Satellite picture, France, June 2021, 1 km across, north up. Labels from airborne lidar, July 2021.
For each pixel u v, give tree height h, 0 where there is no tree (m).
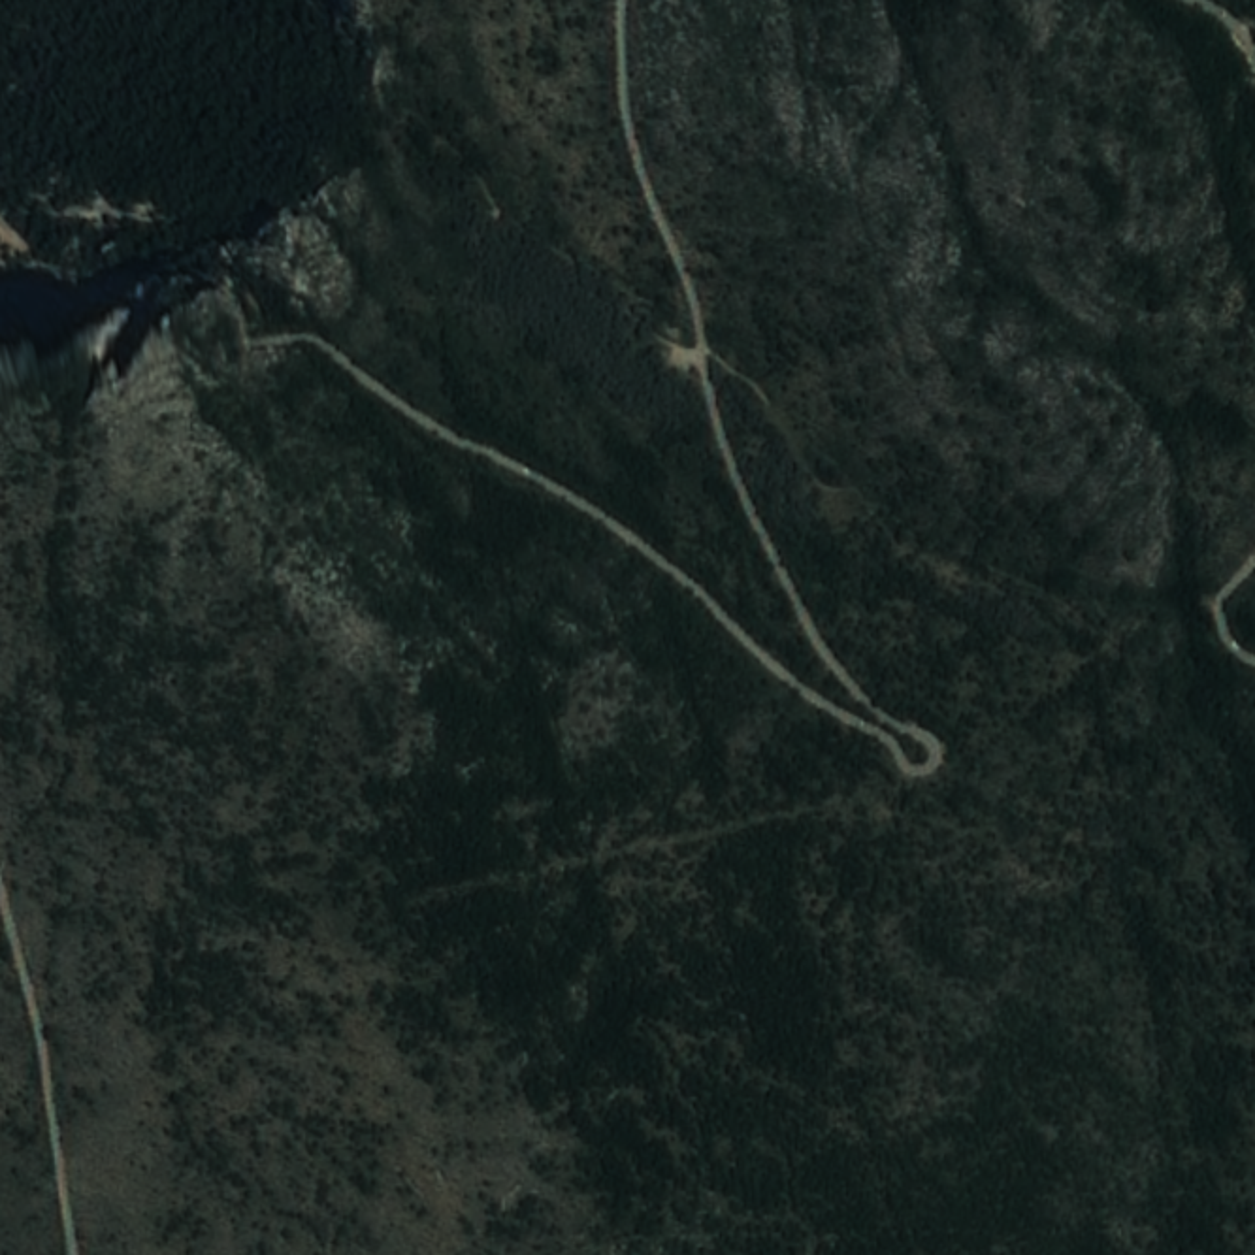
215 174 13
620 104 0
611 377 10
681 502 10
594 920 10
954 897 7
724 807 7
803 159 0
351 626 0
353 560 7
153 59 12
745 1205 6
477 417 7
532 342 10
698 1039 7
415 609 6
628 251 7
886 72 0
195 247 11
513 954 11
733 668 7
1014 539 7
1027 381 0
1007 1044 6
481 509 9
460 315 7
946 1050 6
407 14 8
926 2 7
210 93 15
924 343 0
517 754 6
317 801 5
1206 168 7
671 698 8
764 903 7
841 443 0
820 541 8
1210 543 9
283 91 14
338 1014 5
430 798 9
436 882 9
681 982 7
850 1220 7
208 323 0
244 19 16
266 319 7
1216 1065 9
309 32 8
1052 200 7
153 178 12
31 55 7
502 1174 0
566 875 9
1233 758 10
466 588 8
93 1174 0
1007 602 7
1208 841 6
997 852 8
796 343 7
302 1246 0
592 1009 10
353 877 7
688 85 0
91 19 12
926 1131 6
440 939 8
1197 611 11
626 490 7
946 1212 6
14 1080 0
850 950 6
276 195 11
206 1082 0
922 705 6
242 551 0
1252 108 12
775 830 8
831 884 6
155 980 6
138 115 13
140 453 0
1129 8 16
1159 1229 7
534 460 6
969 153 0
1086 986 7
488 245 11
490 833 8
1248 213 8
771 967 8
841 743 7
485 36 0
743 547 8
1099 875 7
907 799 8
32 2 10
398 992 6
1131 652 8
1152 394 8
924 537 8
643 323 11
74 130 15
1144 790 7
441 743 7
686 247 0
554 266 13
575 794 7
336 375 9
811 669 10
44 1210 0
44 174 8
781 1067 8
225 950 6
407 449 6
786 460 9
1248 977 8
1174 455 10
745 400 9
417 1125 0
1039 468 0
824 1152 6
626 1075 8
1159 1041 6
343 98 10
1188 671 8
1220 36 8
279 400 6
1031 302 7
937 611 6
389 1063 0
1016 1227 7
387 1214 0
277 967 0
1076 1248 7
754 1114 7
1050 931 7
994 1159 7
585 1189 6
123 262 12
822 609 6
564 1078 10
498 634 6
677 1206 7
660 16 0
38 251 10
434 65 6
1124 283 6
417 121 9
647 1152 11
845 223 0
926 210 0
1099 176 9
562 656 8
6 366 6
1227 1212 6
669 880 8
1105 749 9
